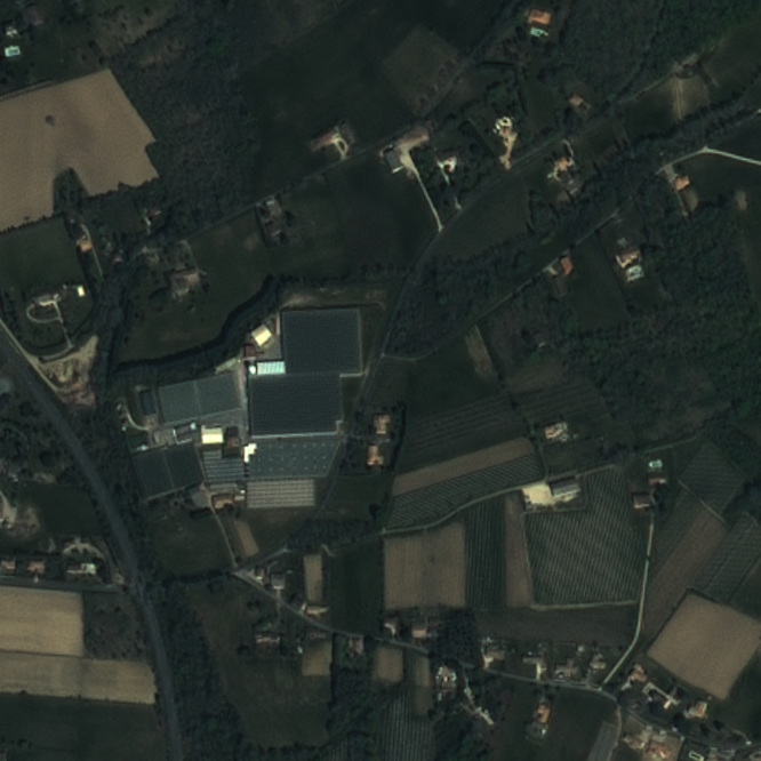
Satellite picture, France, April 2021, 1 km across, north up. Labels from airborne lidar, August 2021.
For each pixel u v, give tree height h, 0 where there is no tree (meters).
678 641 0
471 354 0
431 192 10
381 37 0
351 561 0
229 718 15
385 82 0
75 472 10
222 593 19
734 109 18
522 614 0
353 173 0
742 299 19
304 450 0
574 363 11
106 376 13
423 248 0
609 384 16
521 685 0
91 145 0
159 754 0
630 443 0
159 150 13
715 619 0
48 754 0
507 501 0
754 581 0
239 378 0
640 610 0
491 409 0
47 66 0
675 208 11
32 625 0
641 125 0
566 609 0
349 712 15
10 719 0
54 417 0
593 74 22
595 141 0
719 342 14
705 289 16
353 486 0
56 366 0
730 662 0
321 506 0
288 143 0
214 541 0
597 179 8
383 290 0
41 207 0
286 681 0
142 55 13
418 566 0
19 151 0
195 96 7
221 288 0
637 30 22
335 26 0
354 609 0
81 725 0
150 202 7
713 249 12
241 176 14
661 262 14
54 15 0
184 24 16
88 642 8
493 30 14
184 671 19
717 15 27
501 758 0
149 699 0
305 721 0
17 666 0
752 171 0
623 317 0
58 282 0
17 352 0
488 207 0
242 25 9
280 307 7
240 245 0
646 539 0
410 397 0
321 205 0
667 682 0
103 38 0
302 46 0
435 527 0
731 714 0
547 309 6
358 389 0
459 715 10
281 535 0
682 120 0
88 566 0
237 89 15
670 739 0
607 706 0
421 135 0
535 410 0
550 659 0
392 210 0
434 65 0
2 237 6
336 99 0
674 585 0
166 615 7
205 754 8
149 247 16
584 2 17
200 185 11
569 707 0
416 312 12
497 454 0
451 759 15
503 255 17
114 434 16
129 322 17
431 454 0
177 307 0
